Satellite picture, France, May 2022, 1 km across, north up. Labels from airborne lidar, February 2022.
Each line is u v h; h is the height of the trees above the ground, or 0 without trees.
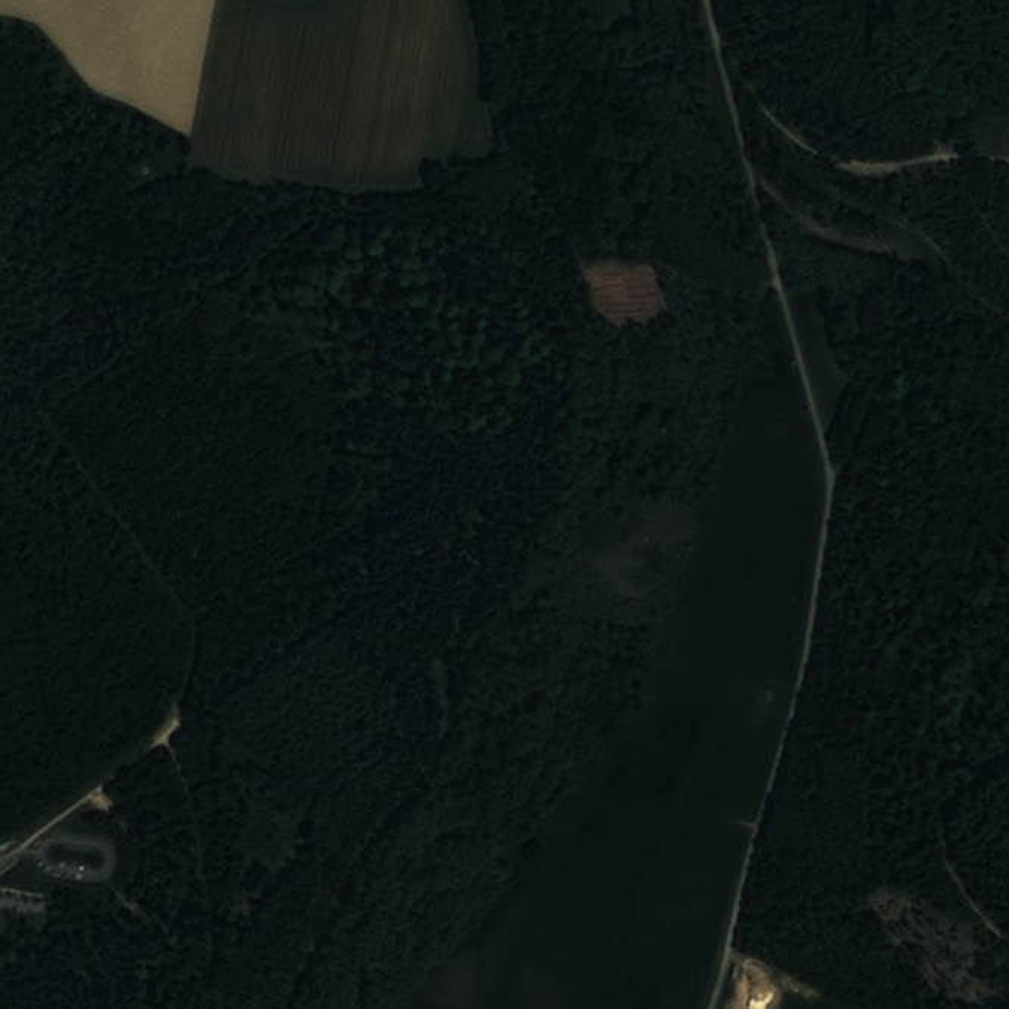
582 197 21
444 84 0
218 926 24
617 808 0
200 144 0
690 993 0
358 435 30
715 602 0
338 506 11
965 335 27
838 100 11
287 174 0
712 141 24
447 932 21
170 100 0
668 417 17
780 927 23
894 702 13
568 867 0
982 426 14
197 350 13
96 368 24
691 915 0
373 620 27
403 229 28
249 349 16
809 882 19
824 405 0
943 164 8
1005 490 14
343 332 33
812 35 11
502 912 0
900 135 12
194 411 16
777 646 0
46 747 15
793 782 14
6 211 27
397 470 33
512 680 23
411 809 25
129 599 10
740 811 0
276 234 22
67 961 28
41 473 9
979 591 32
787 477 0
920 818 26
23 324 24
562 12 25
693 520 0
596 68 24
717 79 0
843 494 12
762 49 24
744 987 0
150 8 0
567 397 29
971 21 26
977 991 0
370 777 27
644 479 10
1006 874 25
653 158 19
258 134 0
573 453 22
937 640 28
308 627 14
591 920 0
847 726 14
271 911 21
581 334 22
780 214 22
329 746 27
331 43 0
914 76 24
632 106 32
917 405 19
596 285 0
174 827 9
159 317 21
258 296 33
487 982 0
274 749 25
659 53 20
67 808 0
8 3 0
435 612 27
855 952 23
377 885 22
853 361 31
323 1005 20
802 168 0
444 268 34
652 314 0
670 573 0
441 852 21
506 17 18
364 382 25
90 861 0
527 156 28
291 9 0
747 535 0
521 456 32
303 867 20
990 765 0
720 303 19
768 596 0
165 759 10
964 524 10
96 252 23
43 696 13
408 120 0
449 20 0
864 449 10
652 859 0
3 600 11
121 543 19
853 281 26
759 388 0
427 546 29
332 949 24
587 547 0
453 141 0
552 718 9
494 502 30
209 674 11
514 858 0
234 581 15
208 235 22
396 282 28
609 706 22
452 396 35
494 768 20
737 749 0
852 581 19
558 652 16
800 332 0
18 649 14
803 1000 0
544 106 21
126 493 11
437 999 0
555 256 21
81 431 10
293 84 0
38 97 13
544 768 17
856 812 17
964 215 11
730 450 0
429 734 26
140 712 12
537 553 22
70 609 11
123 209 14
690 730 0
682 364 20
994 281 11
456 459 30
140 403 12
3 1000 35
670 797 0
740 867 0
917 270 11
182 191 10
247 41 0
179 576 13
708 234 15
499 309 33
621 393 17
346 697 26
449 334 36
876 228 19
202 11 0
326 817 29
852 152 26
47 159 26
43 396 26
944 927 0
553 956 0
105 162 25
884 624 28
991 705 36
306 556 10
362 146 0
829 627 15
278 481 14
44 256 27
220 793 8
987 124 0
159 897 16
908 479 8
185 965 11
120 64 0
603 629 15
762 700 0
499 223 19
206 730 14
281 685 27
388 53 0
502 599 32
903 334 17
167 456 14
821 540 0
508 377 34
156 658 12
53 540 11
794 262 19
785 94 24
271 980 25
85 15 0
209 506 16
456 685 24
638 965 0
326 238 31
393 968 21
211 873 7
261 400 14
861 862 18
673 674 0
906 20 28
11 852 0
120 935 28
